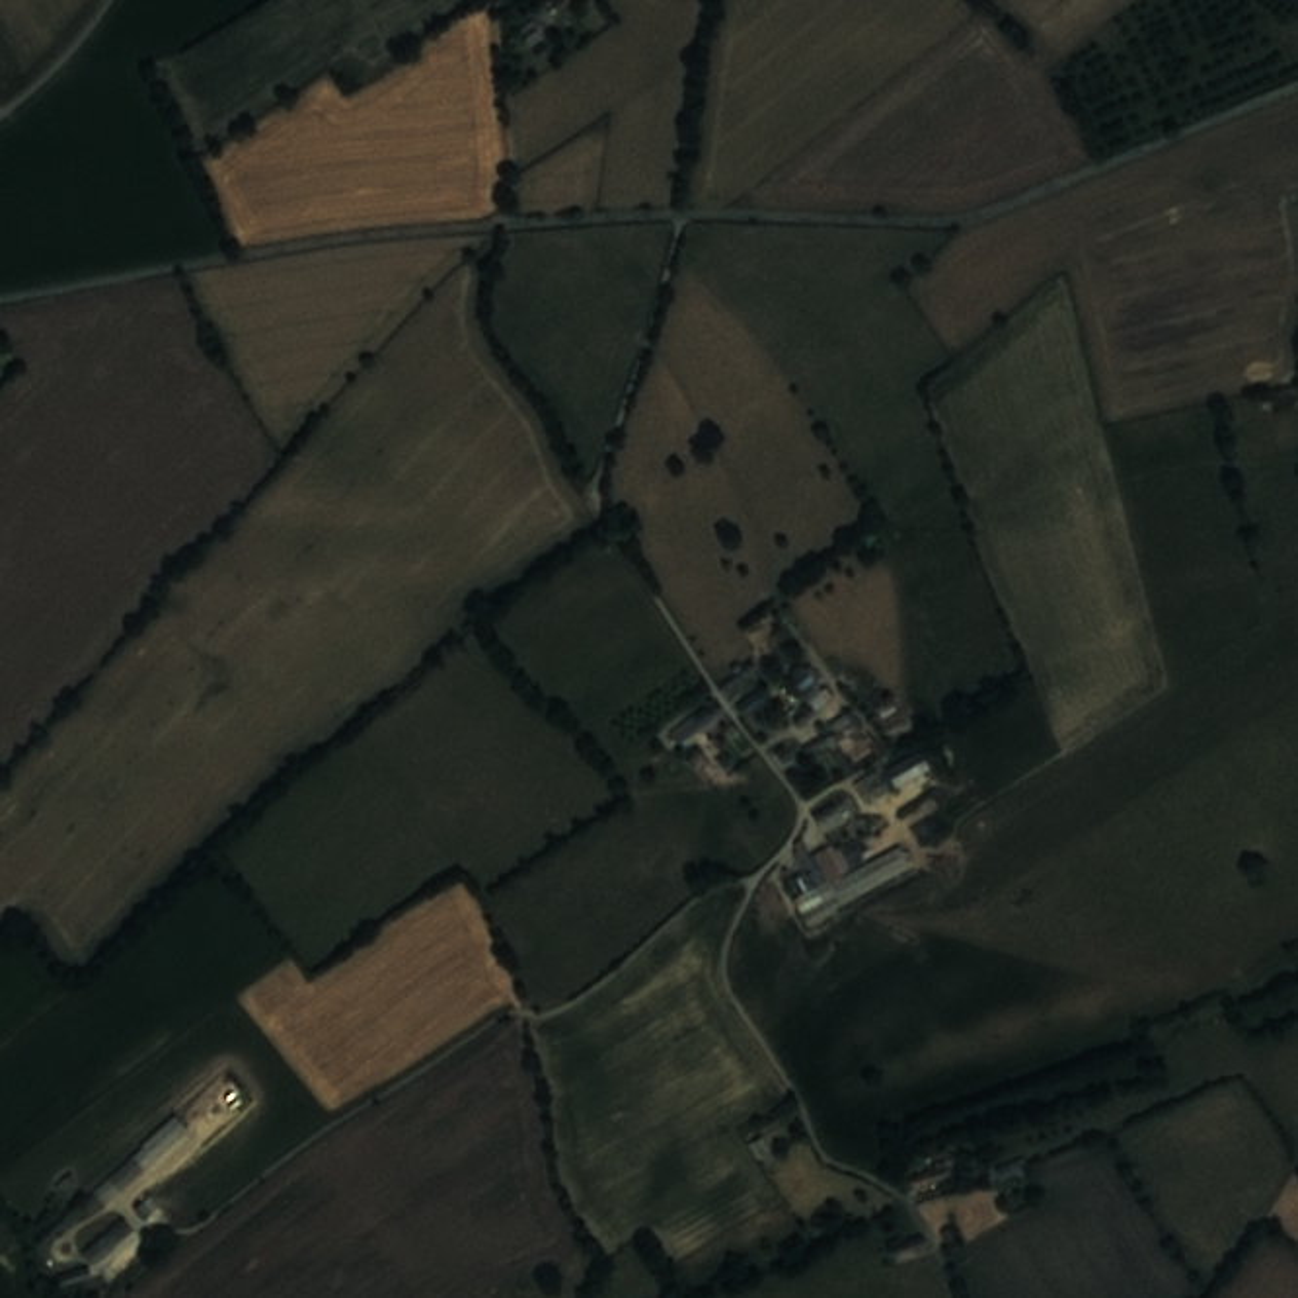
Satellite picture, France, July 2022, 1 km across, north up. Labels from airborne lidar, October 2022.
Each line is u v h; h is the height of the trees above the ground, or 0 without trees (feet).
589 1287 30
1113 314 0
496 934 36
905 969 0
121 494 0
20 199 0
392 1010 0
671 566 0
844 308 0
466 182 0
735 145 0
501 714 0
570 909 0
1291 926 0
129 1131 0
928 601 0
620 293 0
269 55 0
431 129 0
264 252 0
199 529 0
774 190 0
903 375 0
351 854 0
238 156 0
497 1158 0
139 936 58
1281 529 0
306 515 0
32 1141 0
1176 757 0
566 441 39
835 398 0
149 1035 0
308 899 0
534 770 0
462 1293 0
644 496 0
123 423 0
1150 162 0
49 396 0
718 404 0
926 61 0
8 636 0
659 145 0
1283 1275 0
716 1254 0
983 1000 0
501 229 35
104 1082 0
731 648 0
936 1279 0
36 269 0
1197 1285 35
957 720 69
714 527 0
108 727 0
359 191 0
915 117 0
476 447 0
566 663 0
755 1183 0
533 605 0
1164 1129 0
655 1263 65
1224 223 0
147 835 0
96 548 0
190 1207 0
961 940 0
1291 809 0
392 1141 0
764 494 0
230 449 0
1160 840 0
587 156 0
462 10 41
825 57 0
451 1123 0
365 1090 0
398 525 0
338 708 0
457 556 0
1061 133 0
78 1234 0
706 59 68
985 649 0
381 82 0
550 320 0
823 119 0
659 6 0
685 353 0
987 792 0
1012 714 0
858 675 0
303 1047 0
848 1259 0
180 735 0
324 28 0
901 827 0
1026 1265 0
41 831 0
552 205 0
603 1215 0
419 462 0
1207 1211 0
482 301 34
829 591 19
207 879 50
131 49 0
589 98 0
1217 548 0
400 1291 0
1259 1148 0
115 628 0
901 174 0
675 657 0
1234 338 0
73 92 0
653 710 19
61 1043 0
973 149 0
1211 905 0
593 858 0
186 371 0
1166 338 0
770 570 0
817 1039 0
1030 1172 38
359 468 0
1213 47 19
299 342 0
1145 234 0
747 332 0
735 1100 0
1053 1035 0
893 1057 0
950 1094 0
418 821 0
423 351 0
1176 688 0
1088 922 0
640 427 0
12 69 0
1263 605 0
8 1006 0
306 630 0
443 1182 0
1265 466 0
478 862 0
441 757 0
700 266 0
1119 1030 0
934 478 0
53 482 0
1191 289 0
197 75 0
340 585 0
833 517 0
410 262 0
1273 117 0
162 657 0
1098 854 0
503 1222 0
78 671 0
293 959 21
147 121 0
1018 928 0
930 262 40
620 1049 0
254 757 0
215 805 0
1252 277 0
